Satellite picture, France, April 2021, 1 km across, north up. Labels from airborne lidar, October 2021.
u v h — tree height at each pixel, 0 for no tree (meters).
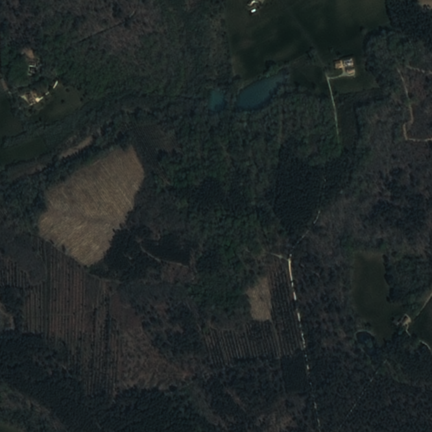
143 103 21
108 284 9
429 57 20
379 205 8
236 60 0
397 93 28
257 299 0
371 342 19
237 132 20
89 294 9
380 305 0
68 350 7
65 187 22
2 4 15
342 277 18
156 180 23
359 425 21
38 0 15
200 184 19
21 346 21
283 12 0
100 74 19
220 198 21
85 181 0
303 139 14
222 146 25
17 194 25
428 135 10
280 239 8
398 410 22
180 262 10
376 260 0
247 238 14
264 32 0
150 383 0
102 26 16
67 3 14
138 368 0
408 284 13
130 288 24
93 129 15
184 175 19
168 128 12
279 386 17
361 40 0
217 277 13
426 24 21
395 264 6
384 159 13
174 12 11
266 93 0
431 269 12
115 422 22
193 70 8
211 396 12
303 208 22
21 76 19
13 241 0
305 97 23
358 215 22
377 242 14
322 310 25
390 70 17
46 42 17
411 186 10
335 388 26
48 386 24
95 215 0
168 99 19
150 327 19
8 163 0
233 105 12
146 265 16
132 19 9
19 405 25
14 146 6
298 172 18
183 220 10
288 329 7
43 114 0
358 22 0
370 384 24
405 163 7
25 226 23
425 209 11
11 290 16
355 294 0
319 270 19
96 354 7
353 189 24
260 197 14
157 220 9
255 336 7
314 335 9
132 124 7
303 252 27
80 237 0
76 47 18
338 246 13
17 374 23
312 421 7
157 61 18
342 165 20
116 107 19
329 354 9
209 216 15
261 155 23
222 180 26
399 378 15
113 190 0
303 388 16
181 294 14
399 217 15
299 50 0
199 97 18
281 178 19
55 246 21
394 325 9
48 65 7
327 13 0
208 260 18
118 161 0
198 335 22
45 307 6
